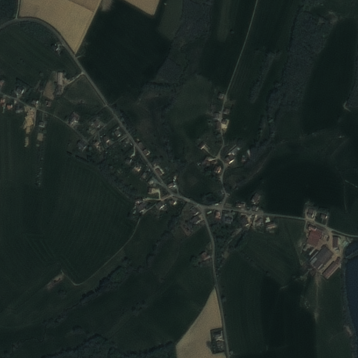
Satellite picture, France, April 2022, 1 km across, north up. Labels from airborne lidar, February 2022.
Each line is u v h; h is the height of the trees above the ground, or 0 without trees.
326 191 0
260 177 0
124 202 0
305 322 0
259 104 0
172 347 20
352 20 0
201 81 0
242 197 0
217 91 0
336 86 0
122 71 0
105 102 0
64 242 0
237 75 0
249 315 0
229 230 18
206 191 0
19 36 0
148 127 0
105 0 0
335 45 0
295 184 0
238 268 0
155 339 0
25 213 0
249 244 0
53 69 0
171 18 0
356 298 0
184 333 0
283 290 0
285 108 21
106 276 0
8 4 18
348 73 0
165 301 0
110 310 0
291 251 0
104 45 0
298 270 0
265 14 0
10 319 0
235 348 0
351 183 0
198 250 0
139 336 0
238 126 0
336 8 0
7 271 0
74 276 0
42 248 0
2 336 0
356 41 0
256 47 0
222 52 0
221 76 0
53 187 0
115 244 0
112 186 10
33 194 0
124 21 0
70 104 0
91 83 0
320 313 0
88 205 0
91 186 0
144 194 0
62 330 0
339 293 0
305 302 0
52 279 0
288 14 0
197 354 0
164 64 15
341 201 0
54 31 0
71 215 0
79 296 0
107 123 0
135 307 0
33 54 0
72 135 0
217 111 0
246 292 0
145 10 0
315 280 0
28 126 0
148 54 0
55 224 0
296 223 0
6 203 0
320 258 0
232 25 0
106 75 0
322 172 0
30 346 0
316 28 23
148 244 0
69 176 0
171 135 0
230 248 9
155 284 0
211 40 0
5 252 0
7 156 0
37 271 0
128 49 0
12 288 0
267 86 0
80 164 0
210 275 0
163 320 0
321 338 0
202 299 0
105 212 0
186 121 0
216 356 0
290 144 0
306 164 0
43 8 0
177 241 0
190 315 0
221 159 0
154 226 0
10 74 0
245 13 0
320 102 0
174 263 0
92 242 0
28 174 0
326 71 0
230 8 0
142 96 12
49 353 0
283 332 0
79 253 0
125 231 0
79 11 0
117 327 0
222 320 0
